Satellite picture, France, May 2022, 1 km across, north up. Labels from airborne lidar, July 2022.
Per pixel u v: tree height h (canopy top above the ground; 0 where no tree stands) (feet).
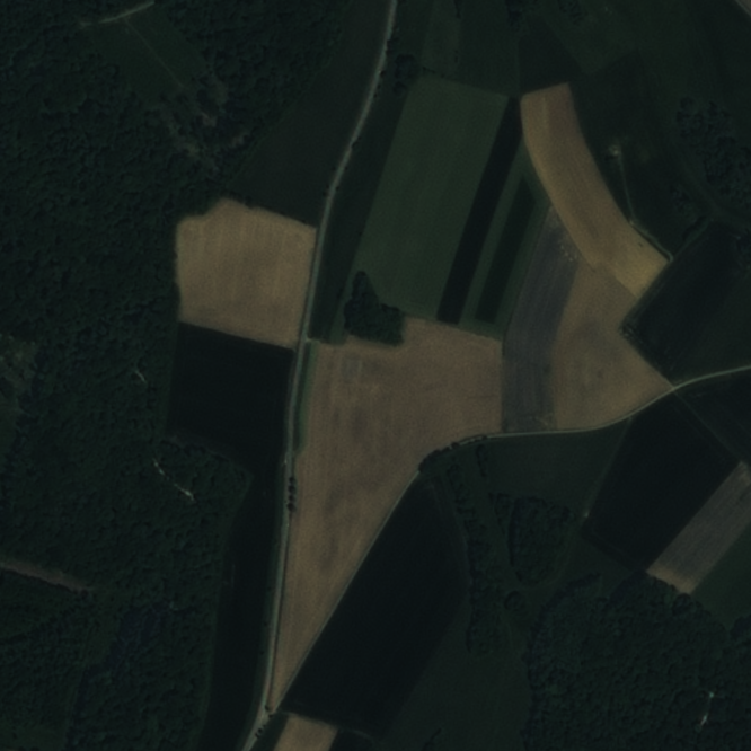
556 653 80
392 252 0
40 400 82
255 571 0
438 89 0
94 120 71
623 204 0
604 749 79
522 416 0
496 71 0
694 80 0
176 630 82
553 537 74
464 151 0
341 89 0
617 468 0
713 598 0
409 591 0
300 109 0
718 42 0
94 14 73
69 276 76
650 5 0
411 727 0
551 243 0
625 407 0
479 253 0
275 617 0
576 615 73
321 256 0
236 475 56
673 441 0
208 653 56
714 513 0
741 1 0
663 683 72
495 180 0
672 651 74
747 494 0
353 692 0
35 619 60
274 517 0
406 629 0
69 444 79
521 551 86
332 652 0
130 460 75
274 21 73
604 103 0
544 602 0
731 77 0
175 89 0
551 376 0
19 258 76
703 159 22
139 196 71
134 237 79
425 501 0
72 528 79
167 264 67
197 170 72
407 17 0
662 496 0
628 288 0
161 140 78
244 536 0
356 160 0
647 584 63
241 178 0
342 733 0
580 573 0
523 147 0
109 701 85
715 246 0
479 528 71
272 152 0
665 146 0
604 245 0
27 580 53
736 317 0
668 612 76
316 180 0
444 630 0
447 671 0
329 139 0
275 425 0
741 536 0
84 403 78
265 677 0
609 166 18
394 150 0
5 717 46
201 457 65
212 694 0
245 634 0
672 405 0
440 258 0
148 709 58
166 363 54
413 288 0
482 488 0
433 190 0
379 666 0
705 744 80
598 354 0
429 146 0
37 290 75
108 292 92
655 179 0
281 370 0
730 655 88
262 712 0
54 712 72
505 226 0
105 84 86
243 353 0
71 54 87
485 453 39
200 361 0
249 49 85
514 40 0
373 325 70
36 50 74
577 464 0
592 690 66
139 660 94
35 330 70
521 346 0
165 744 78
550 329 0
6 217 73
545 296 0
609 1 0
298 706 0
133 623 94
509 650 0
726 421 0
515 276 0
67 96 91
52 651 51
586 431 0
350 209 0
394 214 0
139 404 89
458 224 0
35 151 68
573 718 87
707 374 0
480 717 0
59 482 84
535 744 68
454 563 0
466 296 0
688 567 0
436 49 0
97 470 74
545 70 0
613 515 0
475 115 0
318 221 0
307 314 0
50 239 74
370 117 0
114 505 87
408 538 0
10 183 73
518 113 0
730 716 83
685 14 0
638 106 0
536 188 0
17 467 83
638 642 75
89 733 85
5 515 93
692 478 0
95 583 67
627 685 67
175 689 77
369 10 0
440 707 0
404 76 73
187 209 61
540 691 70
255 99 77
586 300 0
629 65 0
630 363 0
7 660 56
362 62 0
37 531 92
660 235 0
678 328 0
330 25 79
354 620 0
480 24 0
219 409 0
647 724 68
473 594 44
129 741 82
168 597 73
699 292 0
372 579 0
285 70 68
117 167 74
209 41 75
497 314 0
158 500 65
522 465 0
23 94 76
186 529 70
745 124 0
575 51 0
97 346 90
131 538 81
